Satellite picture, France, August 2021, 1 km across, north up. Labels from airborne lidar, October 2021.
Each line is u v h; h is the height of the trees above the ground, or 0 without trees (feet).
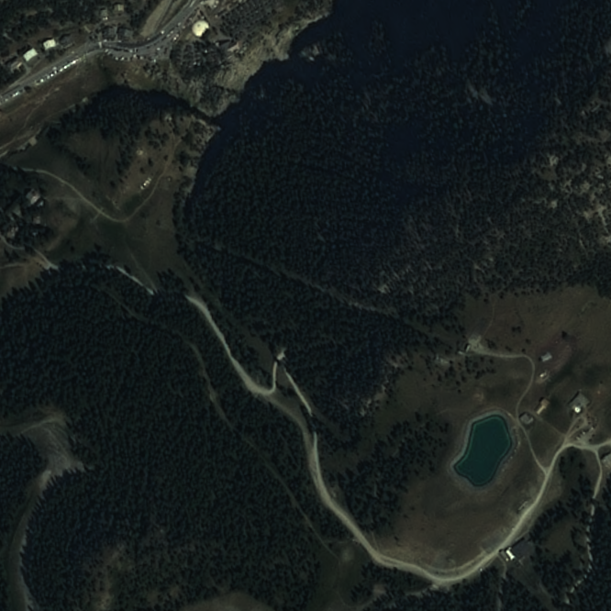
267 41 35
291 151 49
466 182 34
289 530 76
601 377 0
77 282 63
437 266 31
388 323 45
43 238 59
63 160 0
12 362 73
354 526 0
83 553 40
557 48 50
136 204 0
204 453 70
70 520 56
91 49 0
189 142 28
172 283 55
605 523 61
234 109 20
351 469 0
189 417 69
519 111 25
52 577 67
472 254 40
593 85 30
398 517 0
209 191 43
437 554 0
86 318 63
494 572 43
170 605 53
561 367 0
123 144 25
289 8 0
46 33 0
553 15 28
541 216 35
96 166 0
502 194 33
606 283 40
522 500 0
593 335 0
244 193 67
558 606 41
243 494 63
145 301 67
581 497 56
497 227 33
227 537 38
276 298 51
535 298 0
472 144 44
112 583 0
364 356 47
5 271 0
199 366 65
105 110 44
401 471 31
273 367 0
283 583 76
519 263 24
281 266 60
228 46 0
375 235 26
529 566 0
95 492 52
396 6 22
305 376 61
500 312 0
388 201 46
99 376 57
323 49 32
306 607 59
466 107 23
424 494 0
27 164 0
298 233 46
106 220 0
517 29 50
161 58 0
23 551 0
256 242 54
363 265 27
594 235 29
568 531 0
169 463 51
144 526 27
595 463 0
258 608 0
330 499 0
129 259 0
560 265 35
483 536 0
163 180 0
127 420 51
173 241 0
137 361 72
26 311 72
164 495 49
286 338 38
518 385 0
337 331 44
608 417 0
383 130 22
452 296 42
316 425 49
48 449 0
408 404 0
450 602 52
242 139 45
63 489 57
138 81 0
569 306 0
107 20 0
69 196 0
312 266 54
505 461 0
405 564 0
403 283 32
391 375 20
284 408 0
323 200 40
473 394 0
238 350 78
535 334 0
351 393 22
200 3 0
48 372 73
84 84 0
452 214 33
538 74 31
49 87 0
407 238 38
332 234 41
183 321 74
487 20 27
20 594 0
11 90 0
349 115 24
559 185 21
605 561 44
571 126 25
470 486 0
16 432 0
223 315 59
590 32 37
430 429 29
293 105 46
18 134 0
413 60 33
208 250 44
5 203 37
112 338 73
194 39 0
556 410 0
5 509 60
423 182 28
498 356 0
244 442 71
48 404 34
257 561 53
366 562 0
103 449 38
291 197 47
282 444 64
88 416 57
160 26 0
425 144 38
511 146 54
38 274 0
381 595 0
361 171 30
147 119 35
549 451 0
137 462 47
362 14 34
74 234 0
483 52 39
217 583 39
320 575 33
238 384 24
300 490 53
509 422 0
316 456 0
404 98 39
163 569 39
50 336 54
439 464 0
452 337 0
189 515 41
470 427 0
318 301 42
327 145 42
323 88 37
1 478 52
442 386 0
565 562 42
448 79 20
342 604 0
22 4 35
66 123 57
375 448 0
